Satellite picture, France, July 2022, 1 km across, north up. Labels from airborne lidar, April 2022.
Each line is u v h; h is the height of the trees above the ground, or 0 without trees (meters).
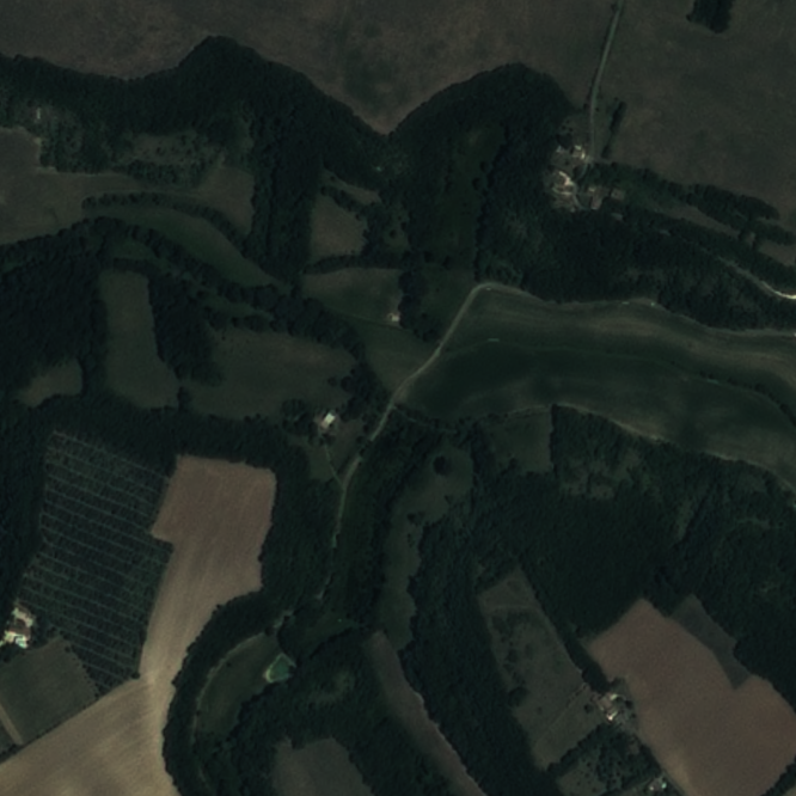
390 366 0
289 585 14
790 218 0
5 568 19
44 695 0
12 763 0
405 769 20
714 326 18
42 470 12
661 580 19
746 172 0
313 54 0
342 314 0
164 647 0
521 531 12
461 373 0
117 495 13
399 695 0
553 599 11
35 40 0
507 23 0
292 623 14
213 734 5
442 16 0
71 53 0
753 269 11
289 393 0
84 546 11
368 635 12
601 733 13
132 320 0
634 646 0
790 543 18
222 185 0
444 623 8
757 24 0
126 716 0
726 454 0
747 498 10
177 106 14
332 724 13
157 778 0
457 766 0
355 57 0
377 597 13
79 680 0
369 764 15
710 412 0
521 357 0
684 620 0
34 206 0
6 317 24
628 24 0
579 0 0
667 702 0
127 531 12
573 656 10
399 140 9
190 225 0
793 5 0
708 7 7
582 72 0
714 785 0
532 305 0
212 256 0
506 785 19
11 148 0
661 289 12
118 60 0
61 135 6
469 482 0
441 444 15
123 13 0
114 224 14
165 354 16
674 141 0
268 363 0
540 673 0
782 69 0
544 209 12
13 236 0
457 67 0
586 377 0
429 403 0
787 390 0
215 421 23
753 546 12
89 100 11
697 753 0
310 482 12
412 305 26
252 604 14
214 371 16
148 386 0
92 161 10
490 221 21
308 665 14
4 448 14
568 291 17
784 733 0
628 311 0
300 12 0
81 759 0
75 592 11
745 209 13
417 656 24
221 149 13
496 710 13
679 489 8
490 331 0
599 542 12
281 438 22
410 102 0
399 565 0
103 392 21
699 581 9
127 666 8
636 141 0
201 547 0
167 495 0
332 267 17
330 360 0
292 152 20
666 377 0
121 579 14
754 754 0
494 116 28
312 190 21
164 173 15
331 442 11
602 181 10
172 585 0
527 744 9
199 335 22
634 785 11
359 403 12
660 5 0
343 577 7
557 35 0
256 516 0
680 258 8
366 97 0
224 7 0
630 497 7
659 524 10
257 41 0
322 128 22
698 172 0
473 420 12
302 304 11
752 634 10
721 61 0
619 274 7
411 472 10
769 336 0
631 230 22
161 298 22
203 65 19
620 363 0
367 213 14
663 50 0
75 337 18
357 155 12
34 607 8
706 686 0
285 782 0
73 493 11
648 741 0
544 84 15
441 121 15
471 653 11
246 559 0
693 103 0
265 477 0
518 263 13
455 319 0
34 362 23
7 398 22
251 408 0
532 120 20
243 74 14
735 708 0
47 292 23
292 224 9
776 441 0
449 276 0
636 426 0
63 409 17
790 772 9
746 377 0
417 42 0
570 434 10
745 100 0
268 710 18
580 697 0
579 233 16
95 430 13
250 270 0
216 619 8
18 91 8
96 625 10
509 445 0
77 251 19
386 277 0
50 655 0
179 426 20
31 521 13
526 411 0
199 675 19
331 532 17
